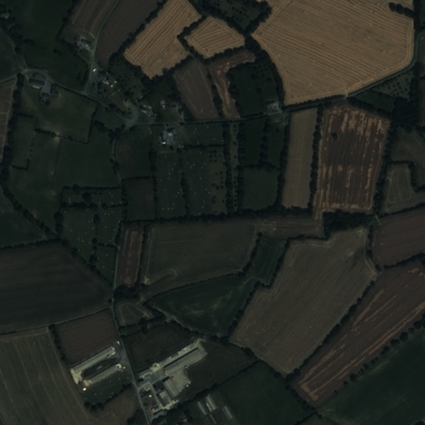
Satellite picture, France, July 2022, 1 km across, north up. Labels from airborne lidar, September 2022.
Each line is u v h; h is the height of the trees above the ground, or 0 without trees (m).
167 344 0
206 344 0
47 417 0
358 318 0
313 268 0
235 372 0
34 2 0
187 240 0
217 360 0
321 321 0
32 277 0
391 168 0
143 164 0
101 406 16
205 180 0
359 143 0
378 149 0
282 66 0
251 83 0
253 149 0
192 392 0
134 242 0
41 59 0
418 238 0
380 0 0
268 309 0
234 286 0
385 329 0
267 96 0
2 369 0
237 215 15
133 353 0
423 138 7
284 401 0
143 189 0
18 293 0
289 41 0
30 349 0
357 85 0
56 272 0
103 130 16
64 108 0
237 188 6
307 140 0
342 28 0
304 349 0
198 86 0
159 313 13
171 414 15
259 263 0
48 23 0
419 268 0
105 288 0
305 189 0
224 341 14
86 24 0
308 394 0
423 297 0
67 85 0
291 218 0
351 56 0
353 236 0
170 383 0
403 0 0
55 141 0
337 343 0
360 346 0
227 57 16
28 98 0
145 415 0
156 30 0
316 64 0
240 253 0
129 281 0
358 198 0
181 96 13
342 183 0
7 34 6
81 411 0
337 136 10
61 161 0
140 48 0
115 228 0
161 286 0
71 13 12
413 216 0
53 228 0
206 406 0
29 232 0
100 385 0
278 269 13
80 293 0
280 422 0
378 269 11
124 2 0
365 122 0
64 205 17
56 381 0
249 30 16
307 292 0
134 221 7
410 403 0
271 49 0
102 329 0
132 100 8
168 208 0
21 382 0
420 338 0
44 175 0
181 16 0
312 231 0
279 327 0
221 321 0
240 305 0
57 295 0
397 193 0
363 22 0
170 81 21
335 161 0
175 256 0
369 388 0
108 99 0
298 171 0
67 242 16
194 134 0
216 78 0
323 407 0
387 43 0
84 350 0
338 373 0
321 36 0
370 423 0
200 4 8
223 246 0
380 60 0
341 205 0
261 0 0
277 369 0
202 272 0
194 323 0
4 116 0
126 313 0
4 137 0
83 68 0
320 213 0
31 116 6
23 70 0
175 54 0
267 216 15
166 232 0
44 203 0
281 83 14
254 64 7
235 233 0
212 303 0
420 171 0
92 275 0
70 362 0
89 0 0
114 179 0
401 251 0
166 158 0
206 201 0
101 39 0
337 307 0
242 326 0
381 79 0
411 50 0
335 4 0
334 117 0
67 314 0
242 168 12
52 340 0
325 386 0
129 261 0
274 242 0
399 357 0
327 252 0
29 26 0
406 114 20
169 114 0
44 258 0
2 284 0
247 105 0
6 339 0
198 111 0
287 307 0
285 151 9
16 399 0
